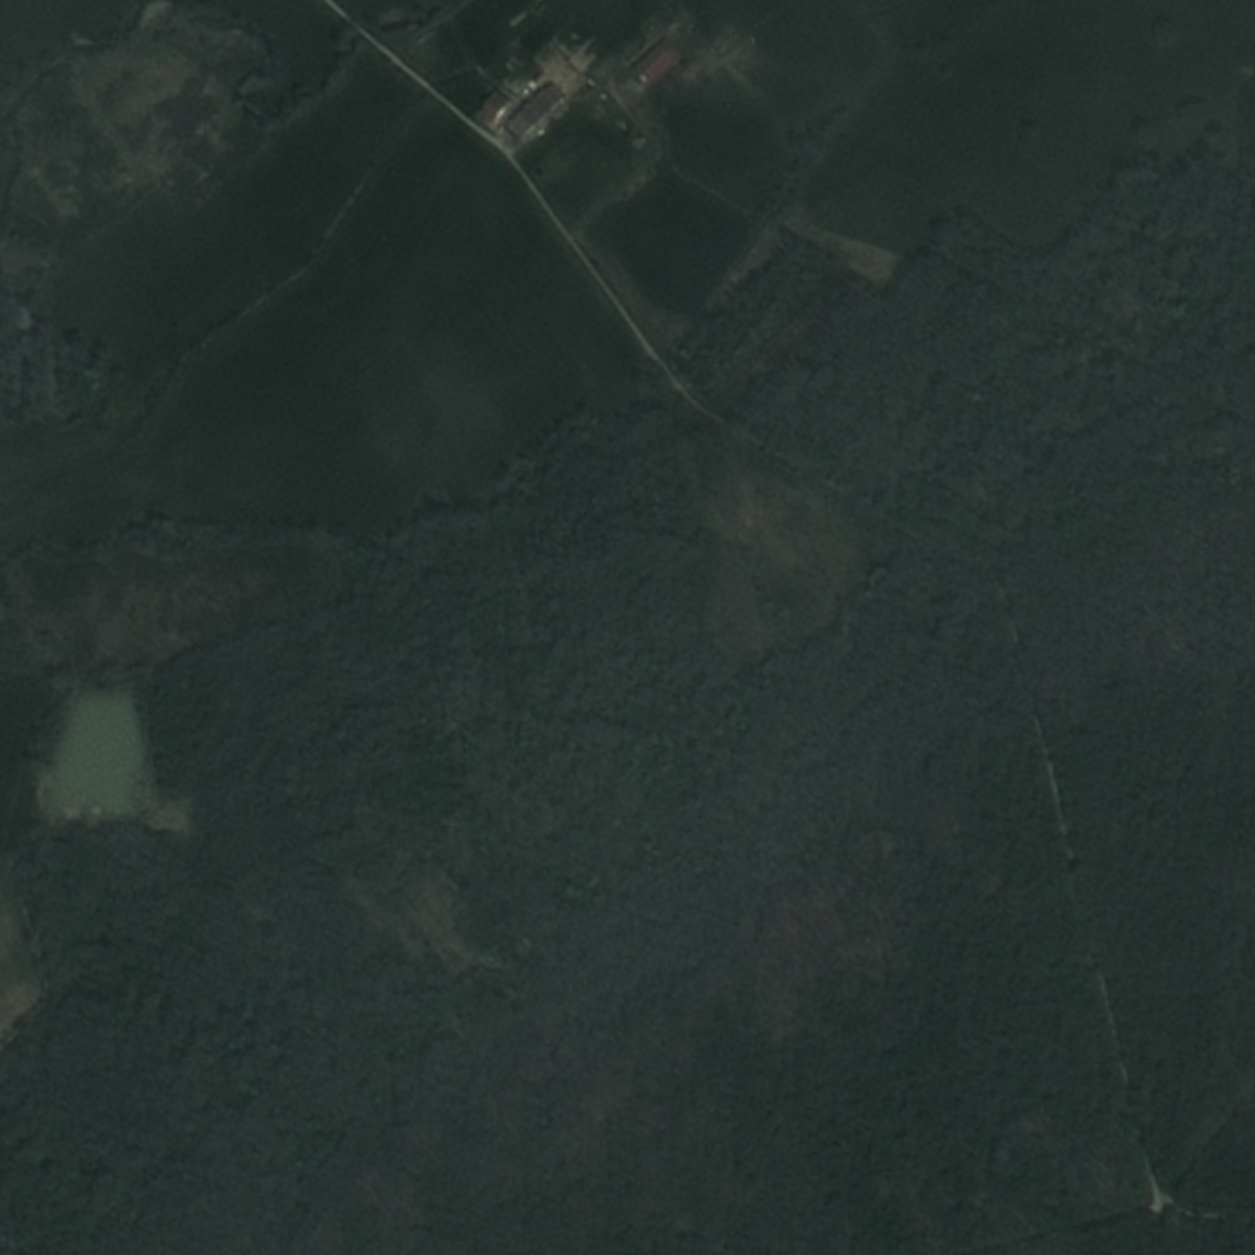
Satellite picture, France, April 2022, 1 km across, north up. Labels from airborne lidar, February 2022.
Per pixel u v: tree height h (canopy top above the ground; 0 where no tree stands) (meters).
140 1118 23
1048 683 21
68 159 0
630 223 0
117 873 28
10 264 0
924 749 18
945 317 23
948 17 0
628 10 0
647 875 19
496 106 0
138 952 24
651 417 21
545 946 22
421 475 0
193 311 0
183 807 0
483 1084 15
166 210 0
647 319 0
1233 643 18
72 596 0
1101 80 0
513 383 0
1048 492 26
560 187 0
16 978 0
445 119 0
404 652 13
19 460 0
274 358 0
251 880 16
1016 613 19
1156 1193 0
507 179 0
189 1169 22
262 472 0
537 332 0
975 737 18
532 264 0
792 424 25
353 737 19
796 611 0
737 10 0
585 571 23
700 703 20
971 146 0
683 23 0
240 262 0
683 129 0
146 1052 21
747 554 6
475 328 0
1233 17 0
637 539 22
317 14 0
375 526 0
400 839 18
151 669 11
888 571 9
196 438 0
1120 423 16
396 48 0
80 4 0
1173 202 25
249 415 0
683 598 15
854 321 27
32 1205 18
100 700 0
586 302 0
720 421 0
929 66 0
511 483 18
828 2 0
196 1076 27
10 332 21
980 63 0
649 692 16
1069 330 0
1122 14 0
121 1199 26
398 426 0
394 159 0
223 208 0
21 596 0
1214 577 13
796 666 20
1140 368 20
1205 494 18
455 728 21
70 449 0
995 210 0
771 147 0
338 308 0
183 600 0
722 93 0
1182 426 26
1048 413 22
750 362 0
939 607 18
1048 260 18
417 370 0
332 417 0
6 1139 23
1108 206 13
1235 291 22
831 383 31
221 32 0
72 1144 24
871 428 23
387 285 0
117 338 0
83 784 0
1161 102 0
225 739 17
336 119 0
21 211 0
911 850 19
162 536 18
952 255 24
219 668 18
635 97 0
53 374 21
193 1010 19
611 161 0
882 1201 17
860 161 0
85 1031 22
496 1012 19
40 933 18
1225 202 26
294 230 0
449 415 0
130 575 0
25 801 0
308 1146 17
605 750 25
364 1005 27
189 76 0
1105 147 0
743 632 0
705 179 0
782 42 0
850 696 25
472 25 0
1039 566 18
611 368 0
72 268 0
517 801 17
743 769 6
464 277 0
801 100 0
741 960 0
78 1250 22
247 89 8
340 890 23
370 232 0
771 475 0
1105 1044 13
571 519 17
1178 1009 14
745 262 0
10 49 0
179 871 27
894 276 0
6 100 15
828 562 0
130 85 9
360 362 0
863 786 21
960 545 29
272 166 0
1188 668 16
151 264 0
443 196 0
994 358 23
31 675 0
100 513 0
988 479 24
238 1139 25
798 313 0
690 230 0
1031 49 0
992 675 20
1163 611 18
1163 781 11
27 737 0
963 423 16
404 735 13
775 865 18
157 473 0
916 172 0
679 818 7
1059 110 0
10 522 0
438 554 23
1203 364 17
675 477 7
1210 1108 0
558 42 0
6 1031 0
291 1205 20
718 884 21
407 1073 18
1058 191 0
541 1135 0
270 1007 23
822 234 0
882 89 0
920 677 20
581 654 18
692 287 0
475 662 21
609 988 21
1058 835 12
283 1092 19
